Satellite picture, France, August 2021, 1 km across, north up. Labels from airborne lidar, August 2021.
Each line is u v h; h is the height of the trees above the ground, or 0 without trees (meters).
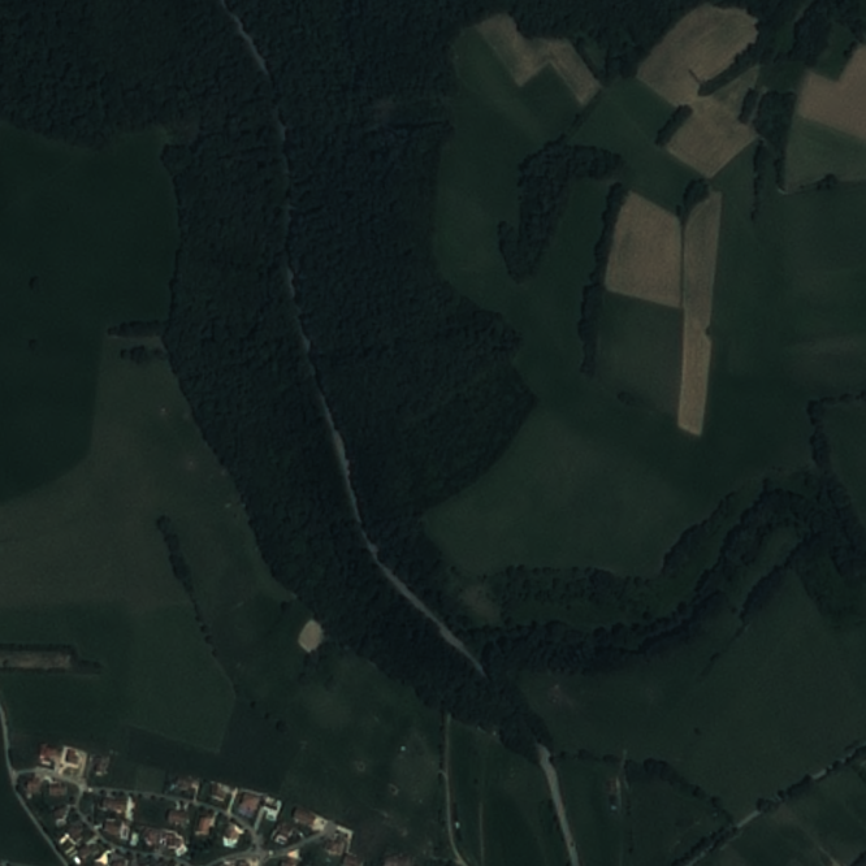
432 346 17
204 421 18
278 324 23
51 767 0
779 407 0
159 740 0
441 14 16
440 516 0
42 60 19
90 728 0
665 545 0
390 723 0
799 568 10
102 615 0
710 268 0
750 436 0
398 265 19
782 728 0
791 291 0
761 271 0
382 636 16
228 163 28
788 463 0
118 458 0
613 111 0
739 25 0
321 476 18
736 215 0
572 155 13
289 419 25
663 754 0
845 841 0
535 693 0
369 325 21
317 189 21
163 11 18
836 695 0
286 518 25
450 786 0
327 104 21
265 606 0
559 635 24
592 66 11
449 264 0
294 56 21
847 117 0
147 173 0
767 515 16
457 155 0
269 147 30
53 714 0
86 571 0
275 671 0
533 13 16
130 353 8
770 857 0
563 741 0
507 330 9
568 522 0
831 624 0
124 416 0
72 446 0
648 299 0
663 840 0
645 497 0
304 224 23
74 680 0
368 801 0
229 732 0
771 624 0
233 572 0
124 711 0
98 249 0
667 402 0
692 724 0
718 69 0
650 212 0
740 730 0
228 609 0
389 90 21
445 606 22
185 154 20
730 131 0
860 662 0
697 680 0
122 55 17
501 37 0
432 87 17
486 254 0
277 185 24
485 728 15
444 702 11
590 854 0
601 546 0
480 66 0
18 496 0
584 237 0
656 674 0
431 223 13
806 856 0
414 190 14
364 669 0
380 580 16
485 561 0
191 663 0
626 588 7
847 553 20
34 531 0
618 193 15
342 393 21
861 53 0
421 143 18
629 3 18
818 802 0
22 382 0
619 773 0
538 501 0
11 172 0
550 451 0
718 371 0
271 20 23
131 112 19
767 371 0
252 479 17
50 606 0
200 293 22
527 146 0
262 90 24
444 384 18
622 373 0
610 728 0
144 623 0
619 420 0
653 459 0
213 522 0
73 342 0
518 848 0
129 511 0
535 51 0
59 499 0
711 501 0
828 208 0
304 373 21
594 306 13
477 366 20
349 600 24
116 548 0
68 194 0
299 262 16
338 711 0
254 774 0
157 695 0
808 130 0
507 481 0
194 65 24
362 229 23
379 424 15
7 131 0
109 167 0
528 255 17
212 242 13
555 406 0
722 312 0
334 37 9
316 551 33
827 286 0
